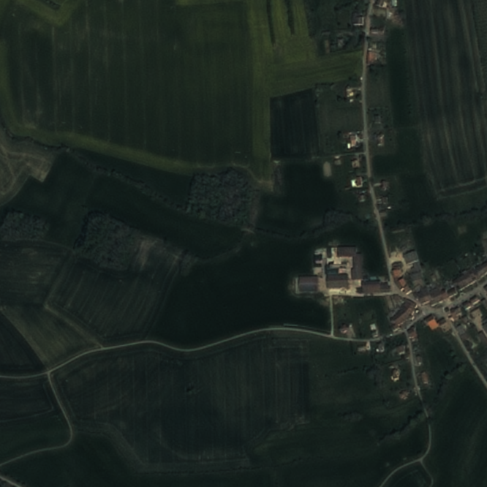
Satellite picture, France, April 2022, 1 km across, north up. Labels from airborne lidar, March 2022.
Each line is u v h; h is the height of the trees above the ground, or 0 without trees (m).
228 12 0
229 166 0
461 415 0
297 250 0
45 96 0
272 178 0
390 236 0
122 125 0
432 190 0
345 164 0
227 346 0
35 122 0
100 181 0
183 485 0
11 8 0
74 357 0
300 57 0
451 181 0
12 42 0
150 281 0
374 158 0
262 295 0
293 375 0
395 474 0
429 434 0
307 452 0
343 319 0
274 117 0
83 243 20
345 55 0
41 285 0
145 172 0
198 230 0
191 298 0
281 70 0
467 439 0
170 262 0
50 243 0
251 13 0
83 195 0
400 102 0
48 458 0
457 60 0
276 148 0
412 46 0
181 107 0
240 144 0
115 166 0
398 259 0
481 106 0
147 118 0
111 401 0
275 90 0
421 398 0
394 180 0
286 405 0
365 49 0
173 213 0
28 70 0
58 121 0
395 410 0
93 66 0
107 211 0
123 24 0
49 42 0
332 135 0
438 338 0
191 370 0
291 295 0
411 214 0
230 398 0
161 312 0
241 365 0
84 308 0
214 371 0
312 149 0
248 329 0
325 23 0
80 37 0
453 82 0
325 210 0
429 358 0
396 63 0
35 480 0
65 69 0
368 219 0
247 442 0
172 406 0
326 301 0
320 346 0
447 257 0
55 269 0
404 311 0
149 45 0
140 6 0
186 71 0
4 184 0
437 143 0
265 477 0
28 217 12
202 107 0
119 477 0
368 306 0
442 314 0
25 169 0
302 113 0
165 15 0
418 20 0
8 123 0
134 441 0
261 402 0
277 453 0
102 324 0
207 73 0
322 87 6
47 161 0
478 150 0
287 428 0
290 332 0
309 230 0
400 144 0
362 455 0
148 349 0
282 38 0
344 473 0
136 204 0
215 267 0
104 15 0
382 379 21
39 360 0
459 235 0
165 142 0
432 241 0
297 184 0
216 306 0
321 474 0
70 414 0
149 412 0
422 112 0
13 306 0
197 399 0
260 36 0
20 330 0
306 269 0
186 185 0
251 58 0
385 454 0
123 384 0
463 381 0
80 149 0
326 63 0
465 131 0
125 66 0
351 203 0
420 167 0
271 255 0
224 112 0
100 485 0
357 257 0
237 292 0
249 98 0
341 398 0
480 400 0
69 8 0
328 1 0
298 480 0
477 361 9
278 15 0
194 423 0
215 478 0
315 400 0
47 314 0
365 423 0
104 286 0
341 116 0
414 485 0
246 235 11
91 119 0
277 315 0
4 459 0
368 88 0
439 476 0
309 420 0
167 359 0
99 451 0
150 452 0
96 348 0
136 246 0
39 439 0
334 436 0
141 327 0
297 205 0
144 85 0
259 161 0
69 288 0
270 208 0
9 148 0
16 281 0
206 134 0
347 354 0
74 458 0
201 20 0
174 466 0
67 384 0
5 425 0
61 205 0
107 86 0
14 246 0
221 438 0
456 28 0
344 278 0
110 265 22
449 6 0
